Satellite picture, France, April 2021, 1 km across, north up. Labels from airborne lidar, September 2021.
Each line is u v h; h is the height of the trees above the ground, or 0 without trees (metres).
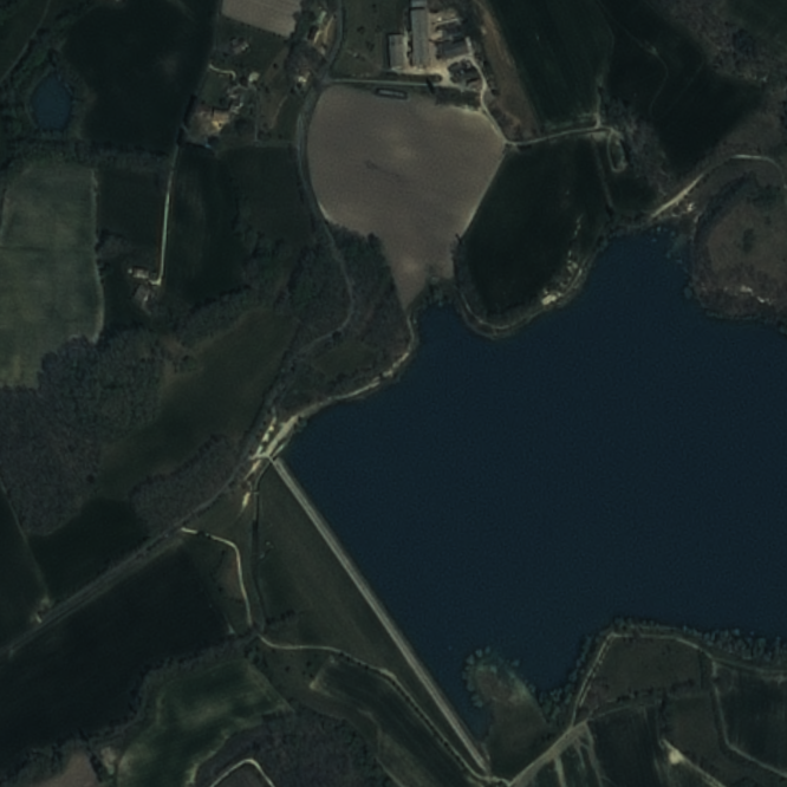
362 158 0
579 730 0
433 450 0
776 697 0
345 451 0
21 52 0
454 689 0
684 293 8
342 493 0
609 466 0
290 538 0
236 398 0
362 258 22
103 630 0
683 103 0
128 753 0
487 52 0
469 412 0
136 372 15
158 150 0
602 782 0
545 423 0
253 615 0
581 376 0
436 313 0
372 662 0
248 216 12
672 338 0
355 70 0
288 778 15
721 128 0
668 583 0
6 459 20
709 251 8
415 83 0
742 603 0
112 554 0
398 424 0
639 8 0
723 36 12
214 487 14
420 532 0
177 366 16
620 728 0
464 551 0
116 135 0
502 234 0
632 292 0
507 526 0
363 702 0
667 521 0
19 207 0
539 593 0
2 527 0
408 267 0
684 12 10
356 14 0
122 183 0
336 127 0
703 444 0
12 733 0
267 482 0
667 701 11
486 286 0
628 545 0
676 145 0
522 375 0
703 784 0
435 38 0
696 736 0
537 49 0
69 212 0
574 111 0
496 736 0
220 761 0
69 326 0
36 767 12
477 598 0
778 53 0
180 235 0
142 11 0
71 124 12
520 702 0
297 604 0
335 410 0
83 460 18
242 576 0
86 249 0
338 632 0
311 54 17
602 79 0
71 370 19
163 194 16
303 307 16
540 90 0
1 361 0
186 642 0
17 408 21
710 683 6
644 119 6
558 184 0
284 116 0
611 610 0
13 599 0
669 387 0
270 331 0
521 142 15
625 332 0
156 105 0
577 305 0
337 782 13
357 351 0
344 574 0
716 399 0
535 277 0
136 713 16
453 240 0
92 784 0
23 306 0
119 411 20
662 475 0
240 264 0
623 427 0
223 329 19
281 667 0
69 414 21
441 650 0
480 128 0
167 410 0
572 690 11
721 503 0
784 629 0
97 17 0
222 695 0
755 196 11
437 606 0
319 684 0
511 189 0
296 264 0
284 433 0
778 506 0
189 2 0
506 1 0
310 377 17
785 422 0
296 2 0
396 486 0
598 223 0
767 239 0
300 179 9
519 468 0
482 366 0
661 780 0
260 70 0
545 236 0
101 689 0
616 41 0
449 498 0
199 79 0
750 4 0
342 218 0
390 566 0
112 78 0
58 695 0
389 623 0
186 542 0
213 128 0
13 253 0
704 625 0
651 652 0
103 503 0
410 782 0
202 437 0
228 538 0
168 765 0
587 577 0
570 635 0
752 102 0
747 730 0
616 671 0
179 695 0
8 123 12
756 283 9
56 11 0
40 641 0
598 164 0
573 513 0
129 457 0
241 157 0
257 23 0
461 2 15
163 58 0
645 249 0
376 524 0
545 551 0
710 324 0
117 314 0
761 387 0
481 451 0
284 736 14
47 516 17
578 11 0
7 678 0
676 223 0
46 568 0
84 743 13
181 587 0
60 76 19
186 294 0
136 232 0
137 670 0
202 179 0
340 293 16
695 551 0
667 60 0
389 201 0
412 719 0
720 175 0
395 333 14
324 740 13
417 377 0
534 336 0
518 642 0
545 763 0
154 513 20
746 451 0
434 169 0
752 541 0
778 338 0
